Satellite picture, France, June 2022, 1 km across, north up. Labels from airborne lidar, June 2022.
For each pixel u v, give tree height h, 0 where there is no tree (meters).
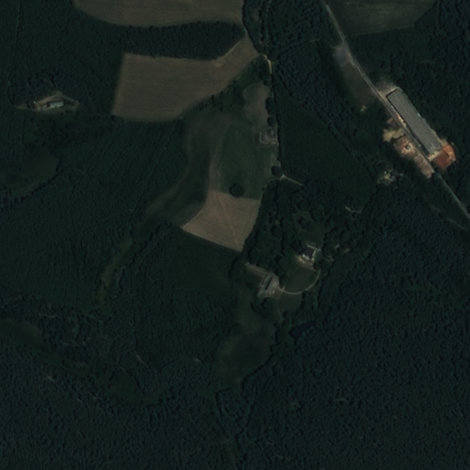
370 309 19
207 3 0
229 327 24
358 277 19
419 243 21
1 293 19
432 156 0
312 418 21
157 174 12
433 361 22
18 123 10
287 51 17
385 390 25
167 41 26
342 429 23
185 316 14
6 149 27
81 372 0
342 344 25
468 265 23
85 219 16
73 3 18
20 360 20
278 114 9
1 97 14
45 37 17
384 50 10
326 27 24
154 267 14
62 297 8
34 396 24
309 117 7
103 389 21
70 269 14
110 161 10
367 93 0
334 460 22
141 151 10
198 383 22
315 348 23
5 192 7
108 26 17
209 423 22
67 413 22
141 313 10
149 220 0
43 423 26
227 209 0
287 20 6
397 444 22
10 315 19
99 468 22
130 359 20
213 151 0
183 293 14
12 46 10
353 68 0
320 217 20
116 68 12
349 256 23
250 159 0
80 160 11
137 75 0
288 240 21
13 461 19
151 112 0
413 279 23
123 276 10
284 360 23
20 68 17
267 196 6
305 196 21
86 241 15
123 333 17
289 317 23
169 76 0
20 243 16
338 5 0
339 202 19
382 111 10
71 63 20
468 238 25
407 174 12
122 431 24
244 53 0
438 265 20
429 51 10
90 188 17
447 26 20
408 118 0
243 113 0
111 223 16
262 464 21
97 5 0
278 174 26
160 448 26
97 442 22
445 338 29
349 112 23
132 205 10
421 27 10
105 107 11
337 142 6
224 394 28
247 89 0
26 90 24
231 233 0
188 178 0
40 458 19
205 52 23
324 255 15
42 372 21
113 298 6
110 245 10
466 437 14
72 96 14
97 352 20
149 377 27
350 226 27
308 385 19
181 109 0
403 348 25
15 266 12
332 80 15
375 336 22
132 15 0
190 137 0
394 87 0
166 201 0
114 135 10
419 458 21
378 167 12
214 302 8
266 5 22
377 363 24
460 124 16
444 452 23
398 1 0
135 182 6
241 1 0
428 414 20
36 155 11
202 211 0
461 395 25
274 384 23
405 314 26
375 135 7
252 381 20
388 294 17
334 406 26
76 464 20
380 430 24
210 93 0
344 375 24
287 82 22
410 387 25
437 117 9
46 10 15
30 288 11
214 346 18
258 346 0
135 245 8
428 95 24
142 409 33
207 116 0
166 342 18
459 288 22
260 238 27
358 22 0
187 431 26
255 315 0
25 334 0
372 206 18
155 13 0
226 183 0
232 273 23
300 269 0
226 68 0
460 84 9
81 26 16
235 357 0
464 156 12
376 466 22
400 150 0
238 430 28
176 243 11
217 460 19
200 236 0
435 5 12
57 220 18
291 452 30
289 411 28
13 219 18
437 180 19
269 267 12
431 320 27
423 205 15
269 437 27
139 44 25
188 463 22
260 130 0
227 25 23
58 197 18
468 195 23
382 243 23
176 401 26
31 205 15
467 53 28
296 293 0
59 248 14
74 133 9
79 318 10
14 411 22
